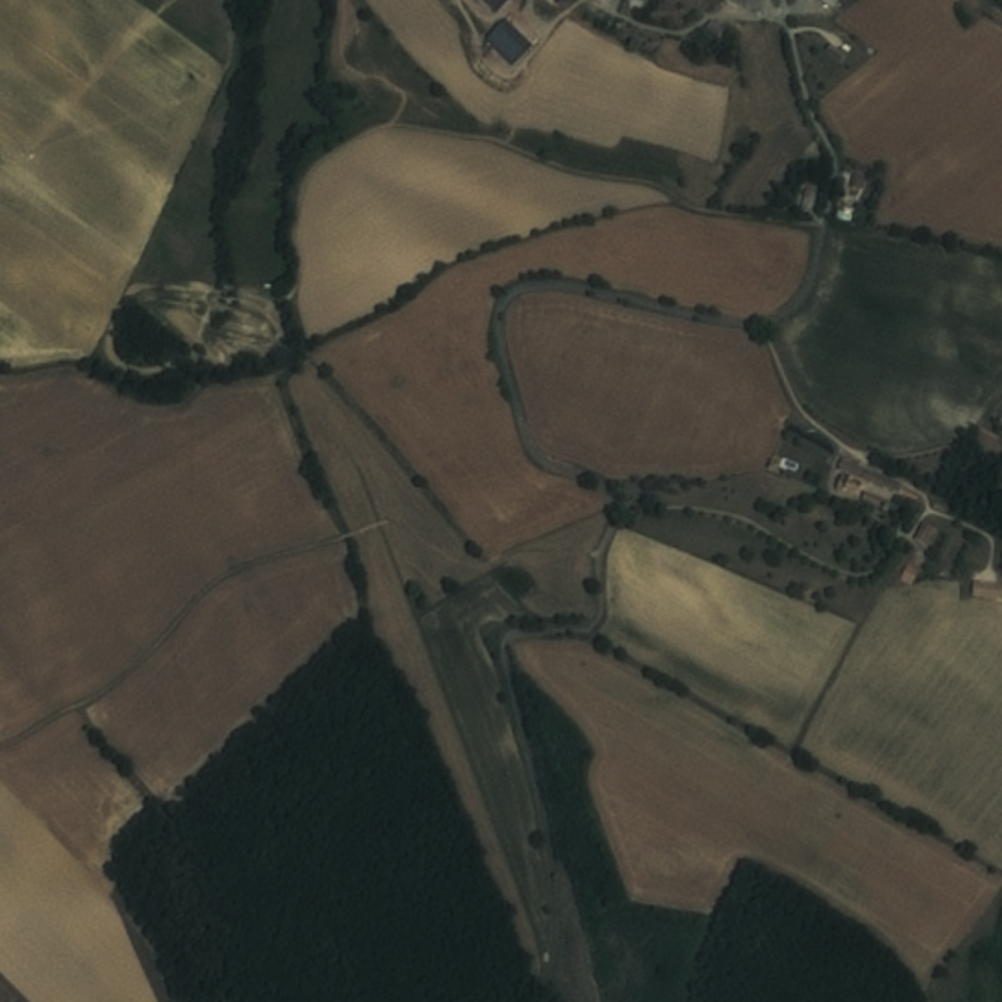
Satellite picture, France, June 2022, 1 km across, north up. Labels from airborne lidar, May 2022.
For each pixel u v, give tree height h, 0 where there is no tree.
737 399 0
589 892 7
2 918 0
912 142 0
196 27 0
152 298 0
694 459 0
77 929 0
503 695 12
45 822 0
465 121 0
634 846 0
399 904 20
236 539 0
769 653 0
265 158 0
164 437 0
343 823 16
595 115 0
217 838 19
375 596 0
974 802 0
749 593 0
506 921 18
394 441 0
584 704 0
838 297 0
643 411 0
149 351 14
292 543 0
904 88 0
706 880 0
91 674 0
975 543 12
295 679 15
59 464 0
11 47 0
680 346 0
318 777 18
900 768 0
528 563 0
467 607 0
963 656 0
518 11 0
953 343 0
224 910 18
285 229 13
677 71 0
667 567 0
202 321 0
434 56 0
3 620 0
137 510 0
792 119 0
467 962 17
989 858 0
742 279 0
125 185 0
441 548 0
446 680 0
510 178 0
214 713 0
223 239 16
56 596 0
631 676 0
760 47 0
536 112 0
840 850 0
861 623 0
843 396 0
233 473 0
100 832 0
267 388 0
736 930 15
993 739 0
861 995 14
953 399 0
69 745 0
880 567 11
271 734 17
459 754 0
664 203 0
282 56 0
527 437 0
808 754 14
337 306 0
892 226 7
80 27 0
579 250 0
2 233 0
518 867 0
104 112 0
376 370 0
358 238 0
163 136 0
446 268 9
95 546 0
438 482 0
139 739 0
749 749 0
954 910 0
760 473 0
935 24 0
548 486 0
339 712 20
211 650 0
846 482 0
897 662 0
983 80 0
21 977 0
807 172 14
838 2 0
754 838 0
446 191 0
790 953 16
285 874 16
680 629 0
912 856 0
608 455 0
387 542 0
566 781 5
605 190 0
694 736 0
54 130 0
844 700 0
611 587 0
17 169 0
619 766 0
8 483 0
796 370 0
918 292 0
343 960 16
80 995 0
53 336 0
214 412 0
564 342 0
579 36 0
